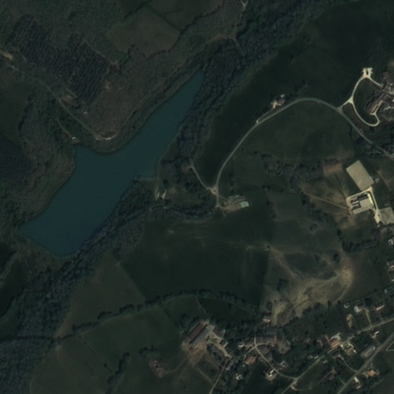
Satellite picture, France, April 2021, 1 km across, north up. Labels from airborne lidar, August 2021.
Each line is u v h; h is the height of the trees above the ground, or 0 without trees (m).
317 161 0
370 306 10
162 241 0
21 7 15
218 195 0
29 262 0
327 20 0
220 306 0
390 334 0
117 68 15
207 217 17
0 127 0
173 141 0
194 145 16
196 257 0
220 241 0
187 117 10
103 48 16
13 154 13
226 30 16
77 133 17
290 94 0
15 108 0
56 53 13
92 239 11
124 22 18
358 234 0
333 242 0
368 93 0
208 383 0
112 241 21
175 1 0
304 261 0
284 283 14
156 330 0
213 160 0
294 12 13
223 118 0
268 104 0
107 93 13
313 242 0
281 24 21
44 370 0
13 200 19
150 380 0
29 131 21
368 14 0
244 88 0
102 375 0
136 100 17
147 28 0
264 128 0
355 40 0
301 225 0
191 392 0
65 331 0
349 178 0
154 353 9
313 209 14
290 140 0
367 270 0
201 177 0
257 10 19
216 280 0
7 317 16
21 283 0
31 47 15
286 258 0
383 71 6
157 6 0
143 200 9
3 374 17
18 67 19
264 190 9
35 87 20
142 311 13
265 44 28
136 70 15
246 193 0
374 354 0
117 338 0
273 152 0
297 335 0
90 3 20
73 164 7
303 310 0
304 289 0
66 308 18
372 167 0
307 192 0
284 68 0
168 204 18
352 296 0
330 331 0
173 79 9
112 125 11
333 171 0
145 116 8
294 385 0
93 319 0
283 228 0
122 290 0
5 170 14
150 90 18
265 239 0
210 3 0
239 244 0
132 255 0
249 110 0
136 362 0
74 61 15
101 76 10
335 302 0
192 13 0
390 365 0
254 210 0
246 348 10
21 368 20
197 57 7
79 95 14
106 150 11
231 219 0
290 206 0
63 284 19
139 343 0
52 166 16
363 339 9
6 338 0
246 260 0
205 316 0
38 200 13
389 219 0
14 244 14
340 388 8
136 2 0
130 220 15
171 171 18
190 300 0
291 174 15
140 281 0
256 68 18
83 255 12
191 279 0
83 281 22
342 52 0
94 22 20
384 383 0
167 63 24
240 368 12
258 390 0
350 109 0
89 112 17
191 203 0
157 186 0
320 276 0
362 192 0
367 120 0
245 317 0
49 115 17
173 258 0
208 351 7
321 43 0
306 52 0
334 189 0
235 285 0
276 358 15
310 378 0
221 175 0
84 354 0
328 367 8
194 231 0
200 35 25
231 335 11
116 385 13
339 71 0
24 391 20
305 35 0
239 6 15
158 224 0
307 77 0
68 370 0
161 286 0
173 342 0
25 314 16
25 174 13
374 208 0
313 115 0
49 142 20
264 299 0
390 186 0
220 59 7
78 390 0
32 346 25
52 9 18
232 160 0
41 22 15
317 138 0
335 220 13
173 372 0
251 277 0
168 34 0
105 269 0
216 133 0
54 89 15
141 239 16
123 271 0
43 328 23
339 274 0
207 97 6
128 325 0
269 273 0
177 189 0
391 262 0
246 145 0
